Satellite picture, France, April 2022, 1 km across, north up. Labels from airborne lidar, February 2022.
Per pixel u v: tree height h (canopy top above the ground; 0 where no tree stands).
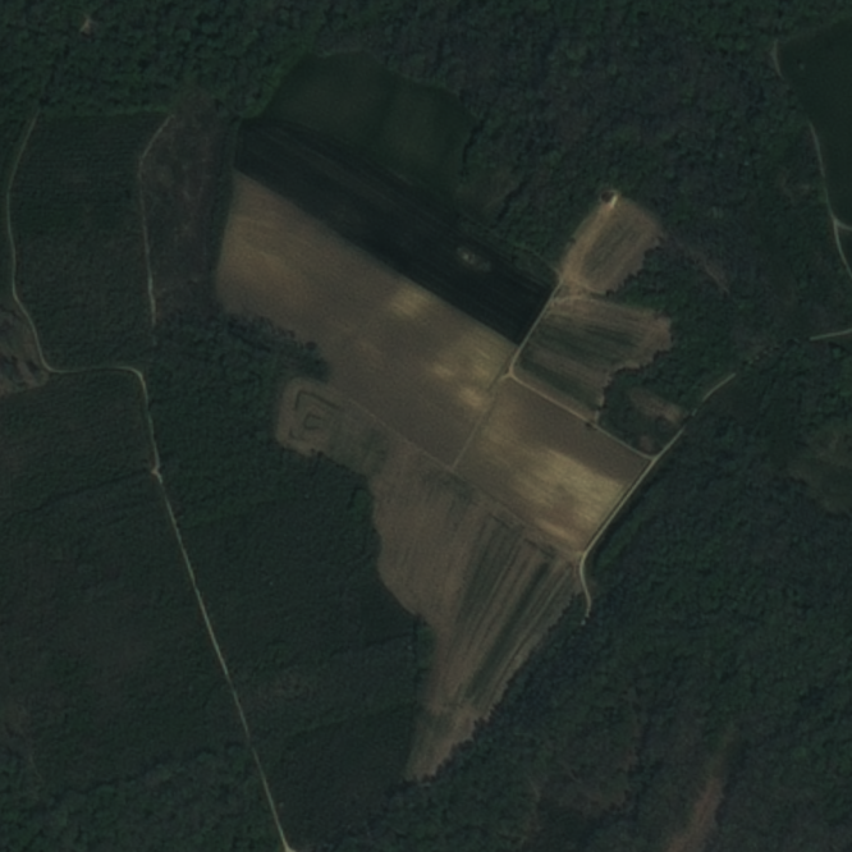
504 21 23
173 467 28
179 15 25
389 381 0
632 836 30
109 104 28
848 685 21
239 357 23
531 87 8
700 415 6
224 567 14
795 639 15
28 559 10
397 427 0
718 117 17
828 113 0
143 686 10
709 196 30
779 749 34
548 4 23
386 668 18
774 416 14
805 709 20
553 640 10
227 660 7
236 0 29
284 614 10
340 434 0
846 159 0
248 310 0
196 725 15
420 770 0
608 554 17
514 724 22
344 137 0
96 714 12
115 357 8
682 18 18
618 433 0
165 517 17
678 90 32
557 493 0
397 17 11
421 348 0
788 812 23
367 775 0
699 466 24
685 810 25
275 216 0
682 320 10
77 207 6
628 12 22
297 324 0
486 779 26
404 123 0
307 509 12
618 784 16
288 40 21
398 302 0
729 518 19
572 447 0
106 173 9
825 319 17
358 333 0
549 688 21
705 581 19
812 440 17
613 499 0
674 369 17
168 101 29
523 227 14
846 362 18
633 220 0
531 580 0
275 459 17
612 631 17
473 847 26
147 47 19
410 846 24
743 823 28
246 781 24
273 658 16
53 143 8
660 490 21
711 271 20
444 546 0
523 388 0
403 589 0
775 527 23
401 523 0
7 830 22
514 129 16
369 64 0
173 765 26
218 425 23
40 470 6
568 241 13
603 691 17
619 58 28
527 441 0
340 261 0
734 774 0
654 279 23
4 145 8
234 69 26
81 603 12
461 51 31
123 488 18
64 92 23
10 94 30
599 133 14
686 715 30
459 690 0
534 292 0
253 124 0
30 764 28
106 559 14
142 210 0
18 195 9
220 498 22
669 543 16
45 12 26
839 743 25
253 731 17
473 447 0
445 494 0
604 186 14
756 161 11
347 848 22
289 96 0
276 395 18
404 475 0
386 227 0
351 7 30
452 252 0
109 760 11
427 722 0
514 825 26
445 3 30
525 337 0
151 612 12
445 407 0
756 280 29
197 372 21
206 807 34
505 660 0
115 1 21
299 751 8
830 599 15
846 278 13
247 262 0
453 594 0
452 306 0
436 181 0
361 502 20
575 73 26
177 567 13
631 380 14
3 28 30
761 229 0
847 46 0
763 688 30
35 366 0
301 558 12
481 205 0
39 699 12
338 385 0
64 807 28
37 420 6
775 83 24
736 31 26
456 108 0
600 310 0
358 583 8
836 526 16
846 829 20
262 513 14
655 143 29
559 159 20
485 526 0
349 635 16
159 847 26
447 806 21
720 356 6
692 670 23
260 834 13
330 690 17
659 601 24
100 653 11
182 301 0
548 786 23
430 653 26
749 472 30
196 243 0
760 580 23
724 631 27
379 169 0
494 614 0
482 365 0
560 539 0
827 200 10
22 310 0
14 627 11
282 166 0
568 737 25
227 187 7
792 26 22
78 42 19
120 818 27
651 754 23
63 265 8
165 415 19
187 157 0
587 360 0
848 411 21
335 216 0
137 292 7
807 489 18
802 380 14
